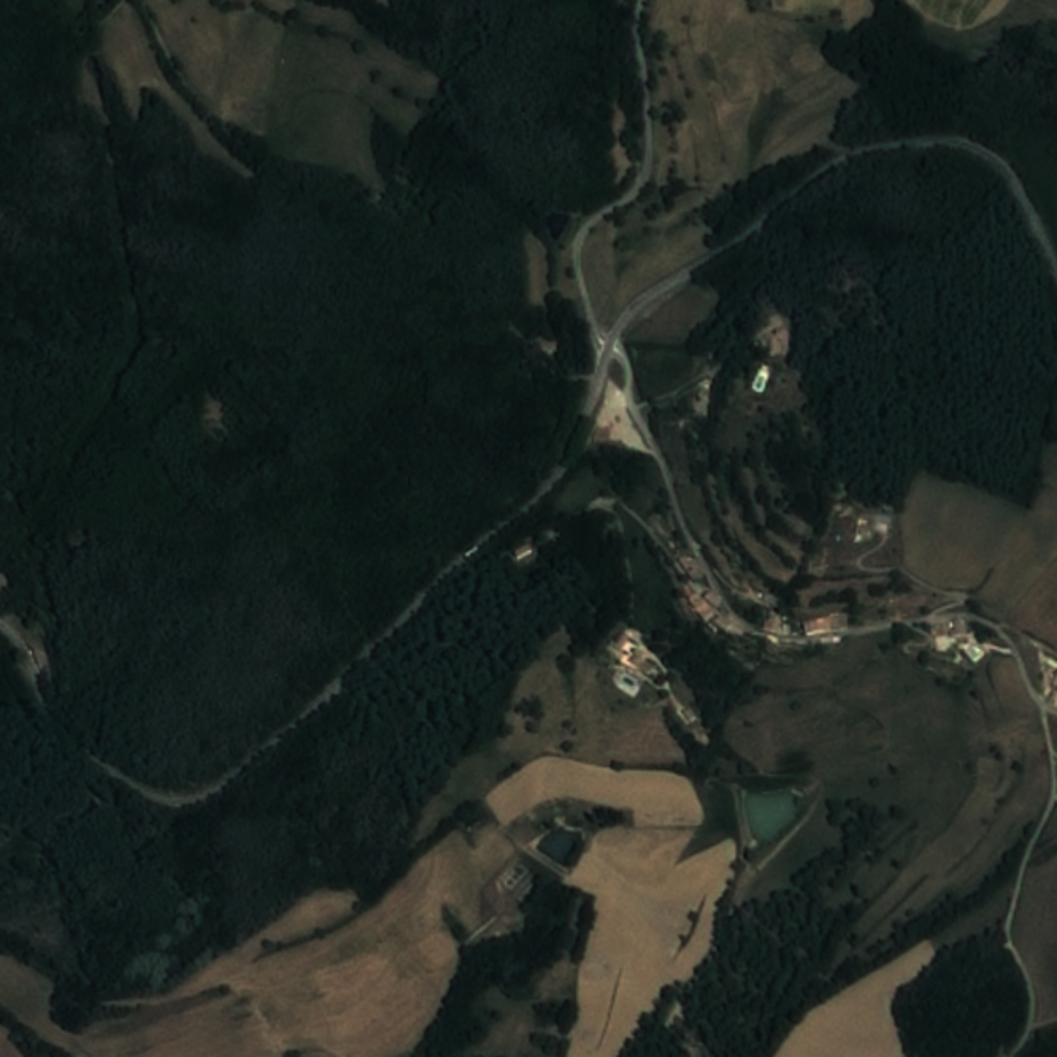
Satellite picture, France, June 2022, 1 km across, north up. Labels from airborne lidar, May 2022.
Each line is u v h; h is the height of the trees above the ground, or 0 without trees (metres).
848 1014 0
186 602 20
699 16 0
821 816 0
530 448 17
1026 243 29
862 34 16
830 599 9
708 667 14
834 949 12
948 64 20
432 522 17
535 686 0
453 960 0
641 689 0
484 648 29
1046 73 13
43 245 11
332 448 19
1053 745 0
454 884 0
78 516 18
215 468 8
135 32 0
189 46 0
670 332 0
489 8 22
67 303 16
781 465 11
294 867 16
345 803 17
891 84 16
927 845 0
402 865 18
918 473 10
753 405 0
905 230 21
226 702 17
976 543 0
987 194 22
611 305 0
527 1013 0
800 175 9
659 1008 11
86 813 40
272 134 0
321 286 17
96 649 14
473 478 13
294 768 22
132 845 20
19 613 10
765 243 17
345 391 15
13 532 21
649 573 0
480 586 6
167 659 17
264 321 17
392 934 0
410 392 7
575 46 17
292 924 0
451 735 33
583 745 0
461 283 22
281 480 14
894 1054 0
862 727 0
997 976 12
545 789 0
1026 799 0
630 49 17
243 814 18
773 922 11
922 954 0
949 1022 16
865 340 20
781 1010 17
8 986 0
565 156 17
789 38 0
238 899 19
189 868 19
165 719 21
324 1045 0
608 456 11
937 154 13
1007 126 23
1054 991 0
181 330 16
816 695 0
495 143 18
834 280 19
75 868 38
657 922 0
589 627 9
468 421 14
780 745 0
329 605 17
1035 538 0
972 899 9
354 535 14
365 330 19
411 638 26
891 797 0
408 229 20
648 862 0
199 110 13
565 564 26
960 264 26
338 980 0
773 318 0
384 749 18
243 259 20
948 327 30
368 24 17
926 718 0
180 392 7
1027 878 0
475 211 21
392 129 15
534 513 12
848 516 0
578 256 0
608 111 14
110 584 25
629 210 10
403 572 15
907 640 12
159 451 16
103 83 15
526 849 0
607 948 0
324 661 15
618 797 0
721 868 0
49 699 15
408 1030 0
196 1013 0
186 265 19
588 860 0
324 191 20
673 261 0
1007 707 0
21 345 15
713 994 14
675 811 0
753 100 0
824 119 0
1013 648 0
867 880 0
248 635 15
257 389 16
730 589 0
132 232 15
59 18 16
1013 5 0
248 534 16
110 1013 13
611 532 11
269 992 0
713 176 0
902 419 31
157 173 19
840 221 22
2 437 21
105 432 9
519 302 18
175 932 20
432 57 22
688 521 0
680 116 14
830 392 9
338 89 0
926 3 0
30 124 15
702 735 0
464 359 13
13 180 11
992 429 32
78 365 20
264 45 0
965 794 0
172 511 12
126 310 25
